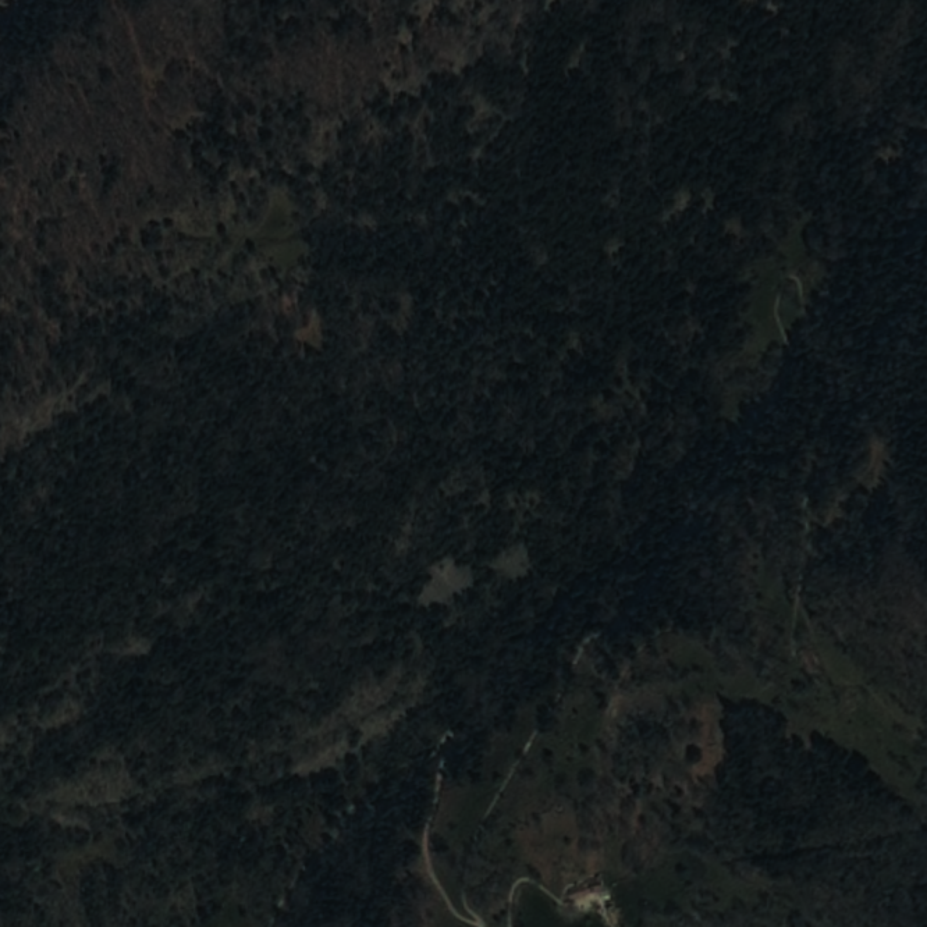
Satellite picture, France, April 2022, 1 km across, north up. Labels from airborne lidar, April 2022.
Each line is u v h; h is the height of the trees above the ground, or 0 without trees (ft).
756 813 76
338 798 90
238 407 43
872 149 50
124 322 77
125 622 78
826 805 67
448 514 83
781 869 60
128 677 91
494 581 68
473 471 83
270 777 44
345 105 39
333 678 80
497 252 96
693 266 71
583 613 88
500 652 87
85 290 36
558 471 39
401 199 97
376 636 59
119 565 90
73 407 27
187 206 0
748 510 70
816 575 58
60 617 102
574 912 38
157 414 80
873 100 85
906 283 54
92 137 73
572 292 90
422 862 67
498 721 52
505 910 24
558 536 51
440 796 27
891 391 69
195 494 85
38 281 43
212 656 76
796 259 0
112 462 95
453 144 39
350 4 33
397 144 87
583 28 97
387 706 67
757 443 87
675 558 106
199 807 72
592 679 0
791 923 31
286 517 84
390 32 59
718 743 0
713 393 69
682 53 102
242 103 67
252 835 76
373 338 91
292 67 53
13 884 91
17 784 68
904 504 76
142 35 63
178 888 45
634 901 0
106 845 0
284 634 84
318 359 70
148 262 47
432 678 38
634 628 85
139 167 54
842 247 77
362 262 64
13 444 32
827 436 65
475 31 34
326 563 76
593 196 99
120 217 43
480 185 85
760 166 100
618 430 41
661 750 44
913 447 94
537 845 0
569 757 18
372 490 45
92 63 56
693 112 114
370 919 99
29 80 50
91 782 32
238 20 42
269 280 58
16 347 53
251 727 61
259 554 80
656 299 102
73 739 69
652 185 70
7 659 76
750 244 66
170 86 38
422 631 51
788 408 92
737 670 62
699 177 105
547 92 99
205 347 61
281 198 0
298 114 42
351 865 88
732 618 69
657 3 69
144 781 37
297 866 40
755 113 68
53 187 43
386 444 80
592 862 0
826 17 104
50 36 37
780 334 0
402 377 66
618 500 64
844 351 78
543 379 75
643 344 76
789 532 52
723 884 0
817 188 72
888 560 64
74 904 61
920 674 58
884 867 90
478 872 58
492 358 94
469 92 47
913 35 95
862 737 0
